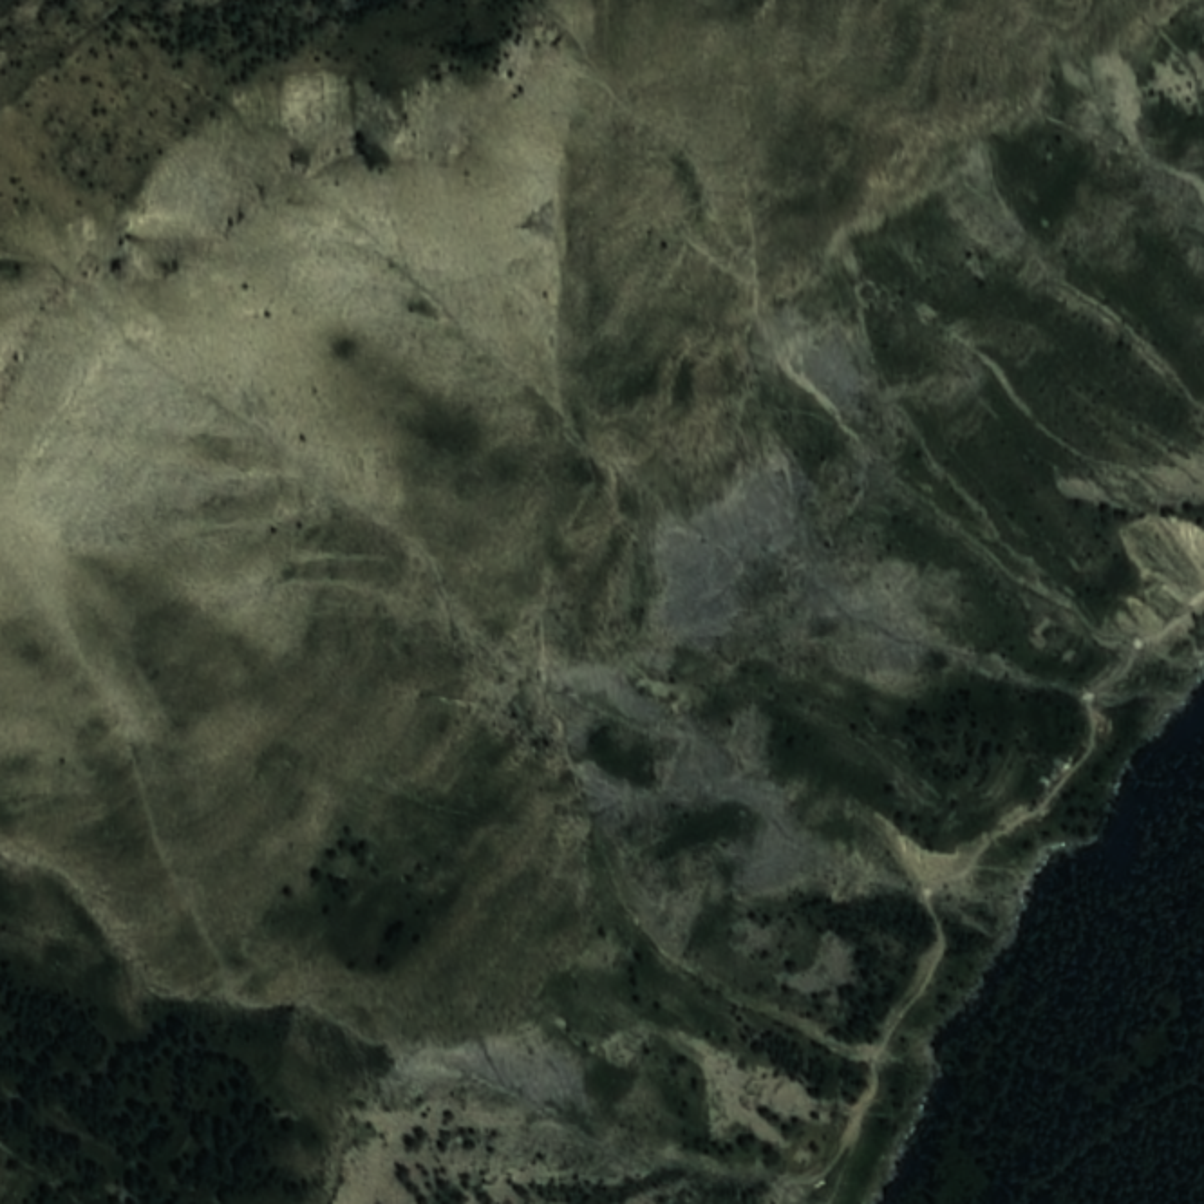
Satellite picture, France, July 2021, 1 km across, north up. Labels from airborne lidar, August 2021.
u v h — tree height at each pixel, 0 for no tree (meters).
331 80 0
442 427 0
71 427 0
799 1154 0
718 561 0
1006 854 0
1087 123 0
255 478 0
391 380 0
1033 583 0
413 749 0
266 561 0
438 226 0
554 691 0
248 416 0
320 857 0
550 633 0
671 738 0
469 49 10
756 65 0
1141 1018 18
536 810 0
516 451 0
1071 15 0
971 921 0
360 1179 0
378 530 0
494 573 0
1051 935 11
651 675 0
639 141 0
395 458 0
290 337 0
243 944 0
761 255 0
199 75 0
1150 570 0
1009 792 0
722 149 0
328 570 0
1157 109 0
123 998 0
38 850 0
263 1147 9
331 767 0
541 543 0
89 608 0
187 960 0
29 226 0
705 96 0
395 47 0
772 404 0
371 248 0
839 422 0
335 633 0
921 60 0
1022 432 0
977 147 0
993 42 0
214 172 0
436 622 0
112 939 0
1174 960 18
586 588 0
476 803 0
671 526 0
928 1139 6
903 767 0
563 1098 0
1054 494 0
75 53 0
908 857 0
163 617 0
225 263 0
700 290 0
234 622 0
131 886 0
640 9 0
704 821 0
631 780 0
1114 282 0
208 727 0
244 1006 0
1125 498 0
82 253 0
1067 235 0
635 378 0
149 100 0
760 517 0
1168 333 0
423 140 0
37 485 0
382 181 0
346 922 0
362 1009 0
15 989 13
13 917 0
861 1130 0
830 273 0
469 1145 11
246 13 9
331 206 0
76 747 0
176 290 0
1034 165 0
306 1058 0
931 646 0
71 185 0
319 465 0
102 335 0
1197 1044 21
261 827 0
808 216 0
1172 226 0
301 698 0
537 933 0
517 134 0
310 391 0
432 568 0
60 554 0
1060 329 0
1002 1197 7
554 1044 0
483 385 0
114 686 0
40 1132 25
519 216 0
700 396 0
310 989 0
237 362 0
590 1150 0
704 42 0
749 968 0
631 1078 0
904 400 0
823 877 0
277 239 0
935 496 0
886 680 0
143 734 0
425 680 0
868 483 0
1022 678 0
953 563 0
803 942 0
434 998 0
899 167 0
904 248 0
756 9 0
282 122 0
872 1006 11
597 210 0
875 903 8
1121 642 0
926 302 0
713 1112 0
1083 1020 19
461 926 0
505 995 0
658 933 0
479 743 0
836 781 0
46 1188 16
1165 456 0
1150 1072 18
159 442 0
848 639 0
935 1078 0
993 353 0
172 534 0
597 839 0
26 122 0
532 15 0
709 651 0
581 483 0
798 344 0
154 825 0
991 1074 6
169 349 0
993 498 0
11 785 0
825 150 0
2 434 0
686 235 0
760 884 0
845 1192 0
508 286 0
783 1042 12
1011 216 0
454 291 0
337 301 0
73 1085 23
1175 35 0
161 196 0
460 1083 0
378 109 0
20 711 0
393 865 0
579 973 0
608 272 0
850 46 0
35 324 0
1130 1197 10
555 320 0
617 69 0
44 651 0
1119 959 19
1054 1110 13
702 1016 0
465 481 0
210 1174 21
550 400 0
